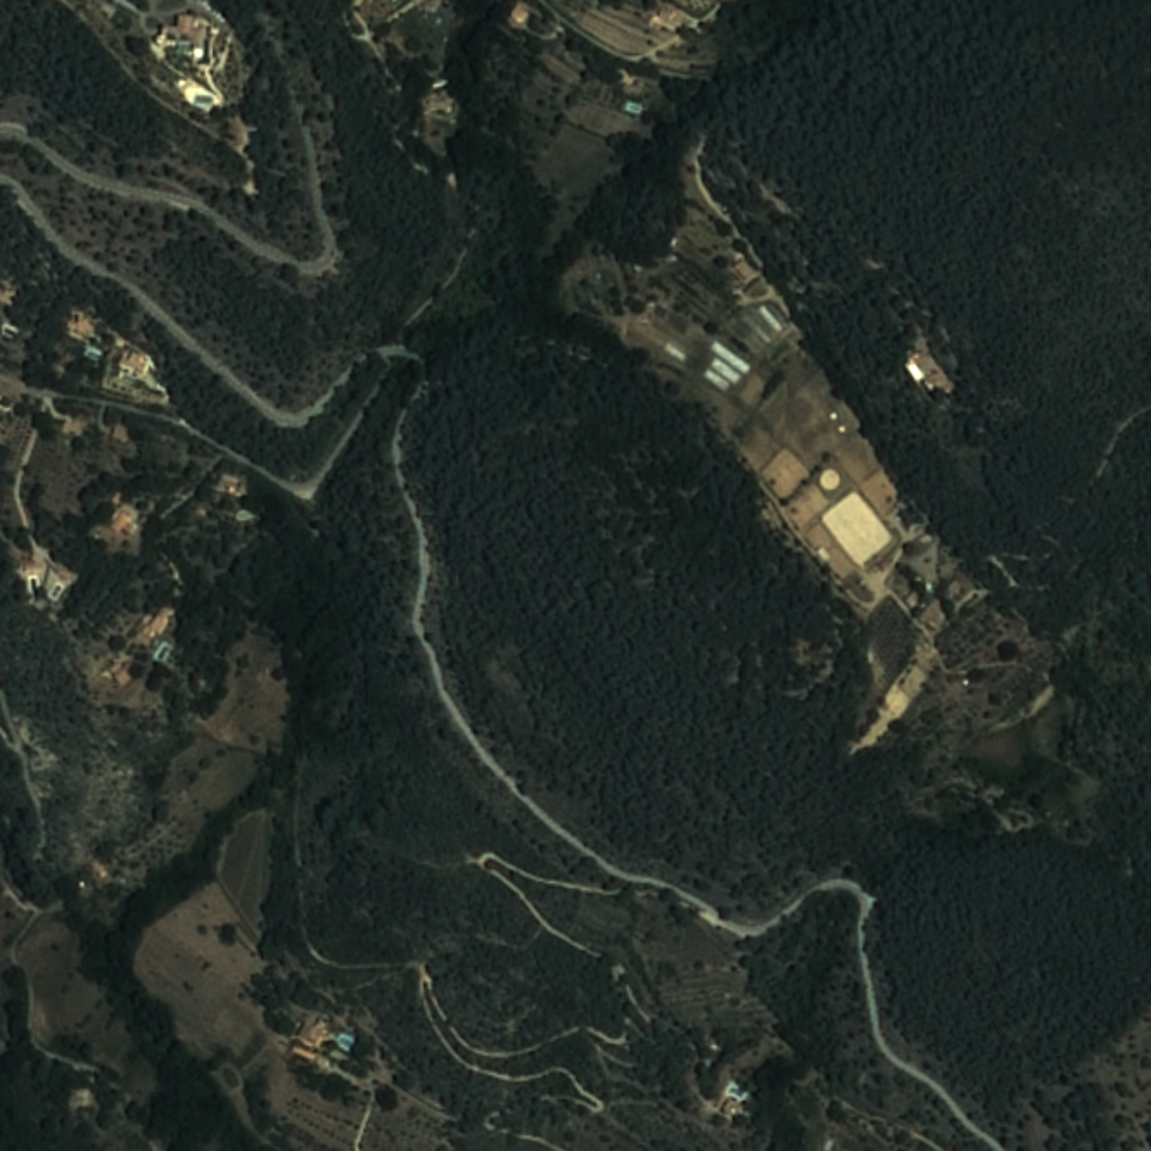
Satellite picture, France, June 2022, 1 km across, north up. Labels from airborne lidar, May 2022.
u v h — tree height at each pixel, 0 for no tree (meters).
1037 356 6
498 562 13
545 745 12
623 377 14
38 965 0
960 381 14
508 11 7
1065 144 6
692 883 11
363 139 16
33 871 19
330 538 16
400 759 7
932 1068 16
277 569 18
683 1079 12
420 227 12
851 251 16
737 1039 18
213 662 11
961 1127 13
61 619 6
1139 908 14
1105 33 9
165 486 15
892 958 9
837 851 8
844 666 15
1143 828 10
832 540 0
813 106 17
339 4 19
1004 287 10
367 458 20
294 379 13
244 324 10
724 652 17
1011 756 0
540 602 15
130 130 14
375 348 11
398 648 15
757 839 13
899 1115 0
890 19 19
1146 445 11
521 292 27
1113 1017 15
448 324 11
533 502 11
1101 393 7
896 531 0
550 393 14
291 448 13
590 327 11
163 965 0
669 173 14
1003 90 14
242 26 21
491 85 6
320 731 9
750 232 12
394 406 10
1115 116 6
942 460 10
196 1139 8
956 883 16
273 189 12
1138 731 8
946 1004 12
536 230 14
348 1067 13
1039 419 10
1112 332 6
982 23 18
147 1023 18
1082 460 12
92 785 0
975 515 13
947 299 11
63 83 16
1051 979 15
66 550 12
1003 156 13
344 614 8
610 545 15
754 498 16
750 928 0
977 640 6
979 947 9
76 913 13
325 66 13
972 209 17
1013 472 18
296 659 10
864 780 13
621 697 13
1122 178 8
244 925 0
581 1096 7
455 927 7
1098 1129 14
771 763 15
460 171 15
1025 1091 15
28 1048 9
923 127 13
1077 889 16
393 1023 6
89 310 7
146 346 6
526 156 8
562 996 7
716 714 13
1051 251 11
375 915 10
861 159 16
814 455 0
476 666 8
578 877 15
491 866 10
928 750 8
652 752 16
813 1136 12
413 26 0
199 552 14
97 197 13
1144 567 12
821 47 9
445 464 15
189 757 0
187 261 11
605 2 10
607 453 12
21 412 12
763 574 18
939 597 9
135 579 18
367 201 18
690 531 15
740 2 6
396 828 8
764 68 17
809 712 17
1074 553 15
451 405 16
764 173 14
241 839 0
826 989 8
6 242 13
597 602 18
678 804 14
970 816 13
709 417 7
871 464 0
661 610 17
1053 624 9
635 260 13
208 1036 0
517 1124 9
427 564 0
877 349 16
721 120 15
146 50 15
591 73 12
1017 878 18
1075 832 9
